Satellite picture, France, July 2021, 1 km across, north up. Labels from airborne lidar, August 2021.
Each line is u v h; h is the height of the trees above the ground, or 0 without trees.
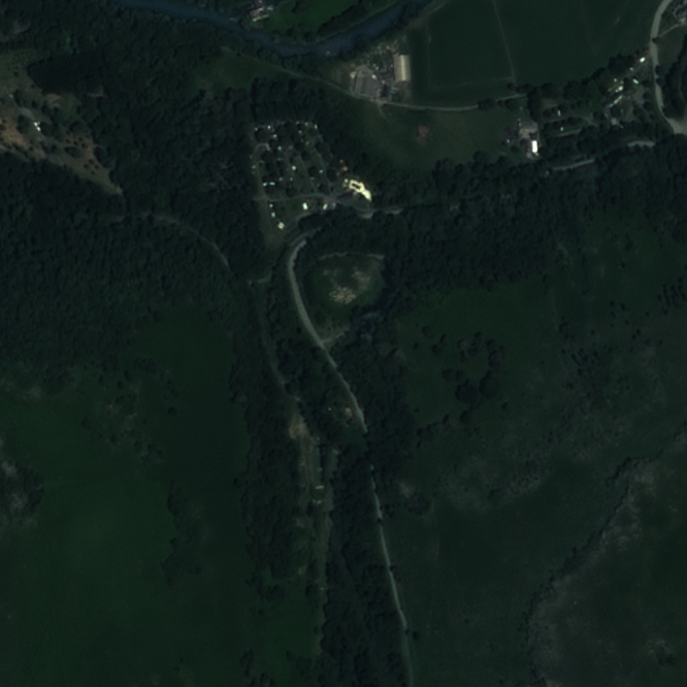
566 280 0
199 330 0
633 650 0
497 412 0
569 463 0
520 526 0
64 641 0
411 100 0
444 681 0
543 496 0
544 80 0
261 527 29
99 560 0
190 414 0
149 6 0
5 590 0
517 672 0
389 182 11
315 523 8
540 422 0
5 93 0
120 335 20
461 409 0
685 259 0
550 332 0
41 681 0
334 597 10
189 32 27
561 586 0
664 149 25
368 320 7
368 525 11
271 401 18
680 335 0
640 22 0
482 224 22
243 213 15
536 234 21
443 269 15
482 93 0
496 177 26
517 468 0
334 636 17
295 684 0
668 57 0
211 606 0
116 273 22
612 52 0
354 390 10
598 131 20
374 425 10
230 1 25
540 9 0
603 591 0
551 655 0
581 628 0
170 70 32
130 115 30
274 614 0
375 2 24
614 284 0
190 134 20
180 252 26
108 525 0
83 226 25
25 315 17
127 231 28
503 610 0
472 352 13
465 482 0
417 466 0
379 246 20
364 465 24
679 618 0
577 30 0
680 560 0
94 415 0
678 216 11
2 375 6
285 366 25
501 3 0
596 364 8
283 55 0
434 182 12
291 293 11
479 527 0
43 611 0
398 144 0
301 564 12
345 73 0
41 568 0
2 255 31
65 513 0
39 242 32
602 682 0
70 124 20
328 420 12
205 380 0
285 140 18
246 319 23
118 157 27
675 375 0
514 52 0
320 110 25
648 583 0
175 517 7
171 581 12
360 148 34
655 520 0
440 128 0
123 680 0
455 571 0
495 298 0
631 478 0
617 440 0
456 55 0
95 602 0
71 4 26
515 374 0
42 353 14
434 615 0
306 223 22
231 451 0
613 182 9
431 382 0
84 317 12
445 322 0
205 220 35
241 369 18
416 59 0
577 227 15
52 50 21
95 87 36
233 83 0
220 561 0
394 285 26
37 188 36
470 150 0
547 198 25
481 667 0
